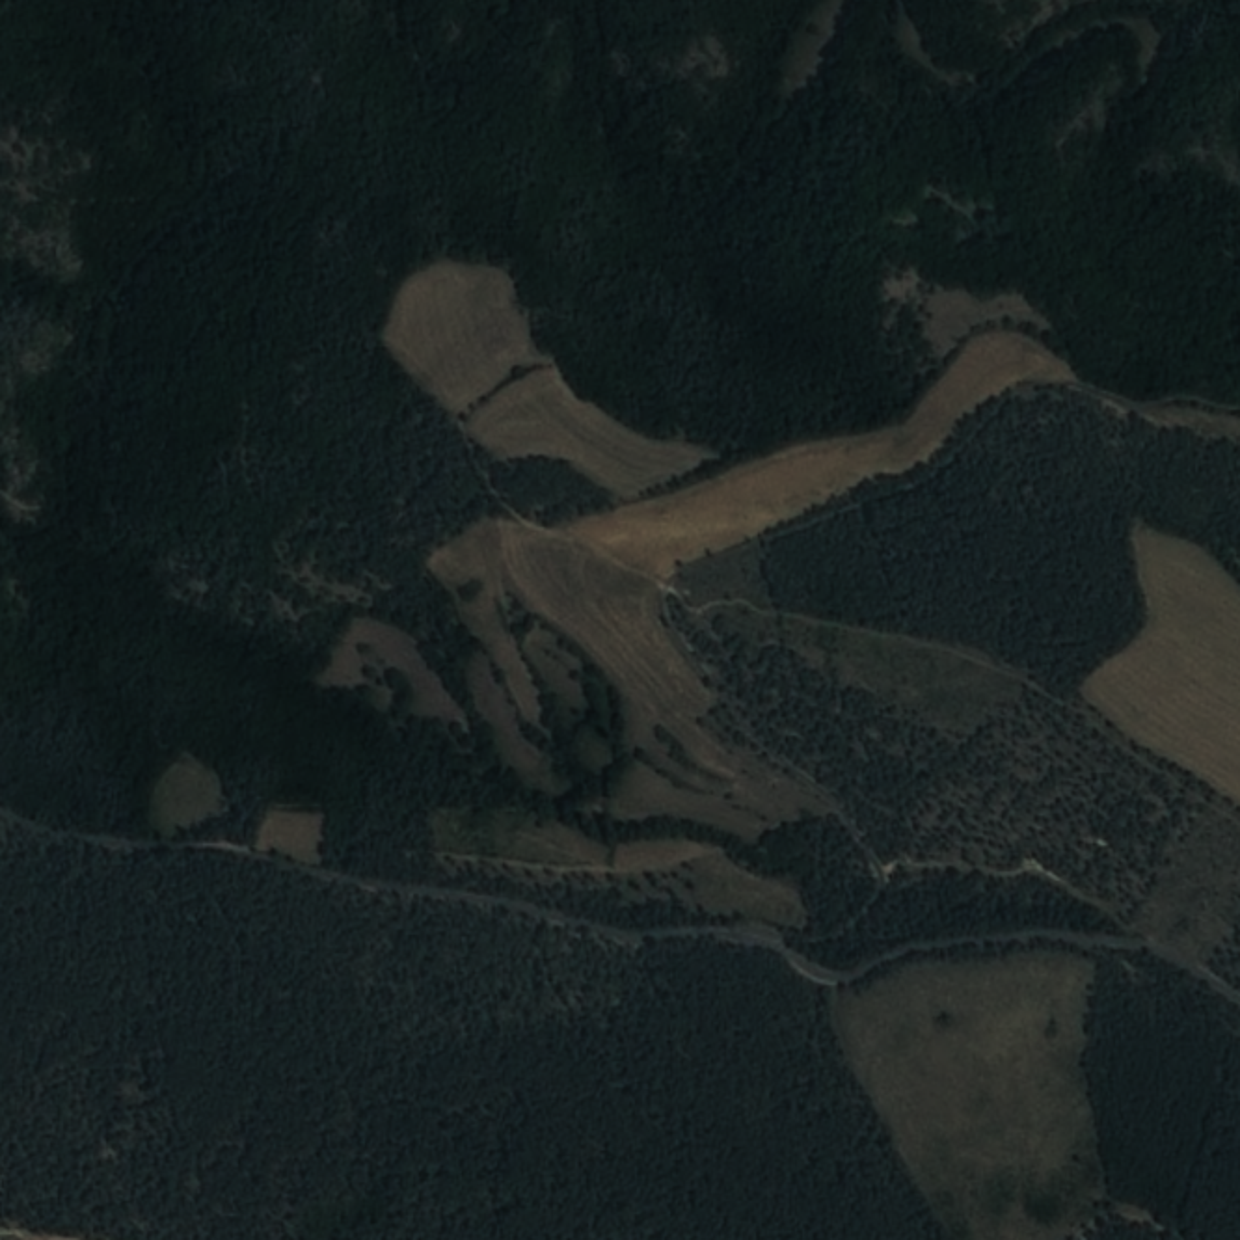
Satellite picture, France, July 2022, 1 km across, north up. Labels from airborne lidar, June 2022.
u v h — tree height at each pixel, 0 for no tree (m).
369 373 9
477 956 11
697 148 16
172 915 17
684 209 18
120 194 10
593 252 12
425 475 12
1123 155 14
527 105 13
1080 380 9
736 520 0
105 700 20
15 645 11
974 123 14
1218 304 19
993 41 8
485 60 20
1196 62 17
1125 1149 10
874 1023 0
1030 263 13
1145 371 18
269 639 9
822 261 6
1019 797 8
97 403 25
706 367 16
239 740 15
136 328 12
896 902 13
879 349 8
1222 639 0
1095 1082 6
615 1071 14
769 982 15
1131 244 16
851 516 7
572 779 18
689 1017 14
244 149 12
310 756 10
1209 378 9
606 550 0
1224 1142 13
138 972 10
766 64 15
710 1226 18
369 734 17
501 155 21
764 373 12
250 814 19
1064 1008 0
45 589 10
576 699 0
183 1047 15
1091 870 10
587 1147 19
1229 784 0
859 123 13
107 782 18
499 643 0
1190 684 0
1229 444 11
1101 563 12
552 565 0
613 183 12
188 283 15
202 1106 13
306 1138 13
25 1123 9
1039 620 13
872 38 15
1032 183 10
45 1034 9
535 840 0
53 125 7
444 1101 18
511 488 17
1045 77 22
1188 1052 9
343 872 13
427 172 23
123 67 10
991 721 10
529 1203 17
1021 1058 0
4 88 14
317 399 11
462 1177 16
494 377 0
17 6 14
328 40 8
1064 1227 0
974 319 0
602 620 0
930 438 0
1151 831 9
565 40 12
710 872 0
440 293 0
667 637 0
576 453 0
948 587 15
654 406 11
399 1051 8
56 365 7
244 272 17
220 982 10
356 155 7
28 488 8
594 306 16
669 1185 22
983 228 13
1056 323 8
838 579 8
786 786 0
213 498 10
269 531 9
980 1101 0
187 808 0
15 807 14
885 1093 0
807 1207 21
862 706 9
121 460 14
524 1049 15
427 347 0
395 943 8
